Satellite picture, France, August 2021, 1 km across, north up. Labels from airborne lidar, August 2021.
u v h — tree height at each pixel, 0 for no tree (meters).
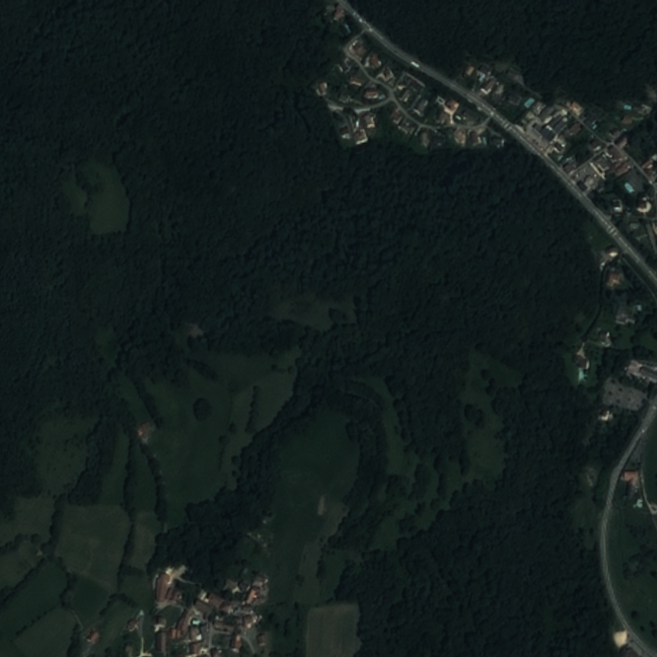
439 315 26
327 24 9
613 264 9
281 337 21
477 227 25
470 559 26
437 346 24
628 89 19
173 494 0
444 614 21
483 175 27
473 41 27
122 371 16
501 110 9
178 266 27
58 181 12
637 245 14
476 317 33
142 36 26
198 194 23
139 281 17
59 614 0
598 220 8
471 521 35
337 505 0
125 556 9
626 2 16
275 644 0
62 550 0
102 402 16
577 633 15
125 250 15
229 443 11
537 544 24
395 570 21
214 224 20
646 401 9
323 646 0
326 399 25
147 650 0
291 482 0
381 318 22
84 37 24
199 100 28
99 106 22
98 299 5
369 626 24
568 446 20
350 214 32
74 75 22
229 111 25
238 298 27
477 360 0
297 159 33
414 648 19
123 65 23
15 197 17
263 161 28
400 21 25
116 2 19
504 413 16
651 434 0
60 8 19
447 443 27
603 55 26
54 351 11
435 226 23
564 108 0
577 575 22
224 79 28
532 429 21
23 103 28
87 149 13
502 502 20
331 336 9
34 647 0
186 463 0
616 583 0
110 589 0
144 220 21
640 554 7
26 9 21
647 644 0
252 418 10
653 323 19
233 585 0
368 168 24
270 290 32
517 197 25
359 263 30
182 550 22
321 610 0
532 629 28
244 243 28
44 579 0
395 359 21
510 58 12
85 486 16
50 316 16
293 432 19
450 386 33
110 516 0
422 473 22
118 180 0
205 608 0
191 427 0
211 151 30
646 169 9
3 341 14
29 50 26
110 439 16
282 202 21
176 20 22
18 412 25
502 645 30
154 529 0
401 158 13
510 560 25
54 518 14
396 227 24
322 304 0
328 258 15
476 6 23
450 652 25
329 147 35
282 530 0
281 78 19
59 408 6
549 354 26
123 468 0
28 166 13
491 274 25
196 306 33
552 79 19
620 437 22
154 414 15
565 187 25
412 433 15
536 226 27
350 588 23
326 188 32
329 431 0
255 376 0
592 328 7
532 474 30
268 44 16
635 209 7
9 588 7
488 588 16
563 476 30
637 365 0
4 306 13
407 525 20
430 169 9
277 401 0
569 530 25
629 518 0
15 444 12
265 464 24
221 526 30
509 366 17
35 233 14
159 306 27
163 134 35
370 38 8
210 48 27
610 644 18
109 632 0
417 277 23
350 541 14
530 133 0
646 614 0
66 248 14
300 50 14
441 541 32
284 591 0
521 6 22
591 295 19
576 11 33
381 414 25
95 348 17
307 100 30
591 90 23
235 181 28
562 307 19
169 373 23
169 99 31
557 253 28
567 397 29
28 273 21
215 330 29
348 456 0
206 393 0
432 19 22
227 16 24
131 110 28
